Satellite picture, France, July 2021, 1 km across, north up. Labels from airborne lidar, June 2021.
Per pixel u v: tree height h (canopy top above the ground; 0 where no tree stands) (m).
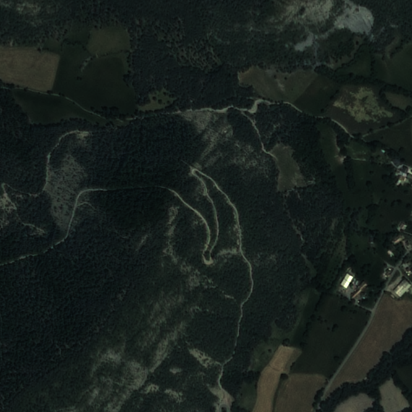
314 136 22
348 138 18
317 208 19
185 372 7
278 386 0
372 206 15
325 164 14
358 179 0
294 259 10
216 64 14
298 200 8
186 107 14
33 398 6
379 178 0
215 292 7
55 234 11
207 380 8
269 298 11
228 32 7
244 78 0
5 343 11
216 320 7
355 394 13
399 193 0
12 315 13
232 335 10
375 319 0
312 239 11
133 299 7
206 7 6
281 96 0
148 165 15
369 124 0
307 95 0
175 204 7
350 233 12
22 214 12
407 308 0
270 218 13
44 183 7
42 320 11
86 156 10
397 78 0
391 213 0
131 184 16
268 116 7
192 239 7
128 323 8
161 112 11
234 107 6
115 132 15
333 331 7
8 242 18
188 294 8
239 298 8
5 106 15
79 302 14
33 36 9
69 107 0
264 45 6
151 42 13
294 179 0
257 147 5
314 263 12
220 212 9
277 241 6
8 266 9
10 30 11
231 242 6
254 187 7
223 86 13
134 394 6
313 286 13
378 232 13
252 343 14
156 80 13
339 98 0
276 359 0
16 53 0
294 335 0
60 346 12
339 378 0
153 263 7
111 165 16
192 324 10
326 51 7
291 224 10
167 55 11
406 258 10
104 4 14
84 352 9
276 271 7
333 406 13
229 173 7
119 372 6
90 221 9
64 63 0
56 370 9
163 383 8
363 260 0
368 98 0
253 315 12
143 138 24
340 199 18
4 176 10
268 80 0
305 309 0
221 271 9
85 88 0
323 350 0
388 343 0
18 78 0
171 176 12
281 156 0
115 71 0
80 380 12
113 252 10
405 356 16
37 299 13
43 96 0
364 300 14
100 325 10
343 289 0
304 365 0
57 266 14
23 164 12
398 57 0
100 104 0
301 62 10
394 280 0
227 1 10
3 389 17
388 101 15
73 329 8
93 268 13
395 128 0
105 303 13
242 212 9
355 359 0
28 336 13
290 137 14
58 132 13
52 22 8
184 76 13
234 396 6
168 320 6
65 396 12
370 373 11
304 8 6
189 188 10
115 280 11
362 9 0
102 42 0
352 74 18
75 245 10
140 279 10
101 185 15
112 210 14
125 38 0
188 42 12
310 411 0
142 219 17
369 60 0
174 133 19
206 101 14
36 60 0
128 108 0
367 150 0
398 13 9
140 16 11
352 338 0
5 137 15
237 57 7
